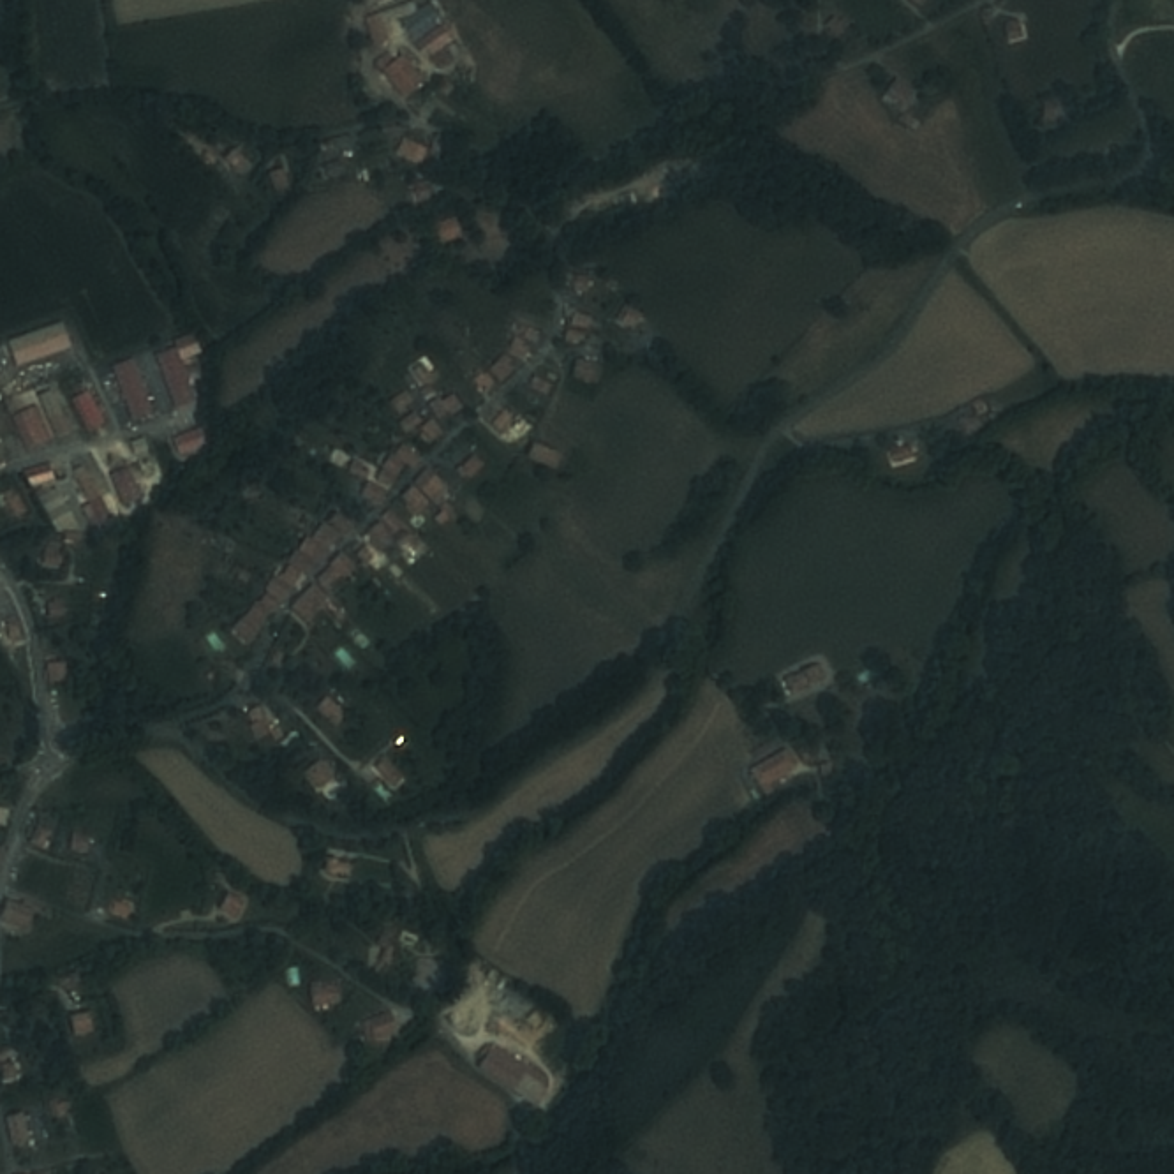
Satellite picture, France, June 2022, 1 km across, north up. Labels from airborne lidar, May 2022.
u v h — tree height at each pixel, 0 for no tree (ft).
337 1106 44
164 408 0
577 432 0
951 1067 83
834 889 56
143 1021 0
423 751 0
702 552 0
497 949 0
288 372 69
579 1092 71
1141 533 0
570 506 0
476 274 57
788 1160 54
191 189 0
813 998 89
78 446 0
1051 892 48
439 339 0
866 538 0
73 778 0
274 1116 0
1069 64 0
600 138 0
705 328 0
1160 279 0
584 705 70
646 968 76
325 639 0
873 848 92
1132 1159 37
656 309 0
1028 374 0
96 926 0
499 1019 0
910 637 0
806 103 53
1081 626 84
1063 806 34
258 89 0
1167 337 0
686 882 57
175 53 0
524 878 0
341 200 0
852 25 21
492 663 48
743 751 0
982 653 0
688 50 0
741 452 0
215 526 43
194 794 0
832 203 81
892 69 0
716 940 86
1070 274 0
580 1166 76
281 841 0
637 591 0
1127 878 89
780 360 29
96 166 0
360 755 0
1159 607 0
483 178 53
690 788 0
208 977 0
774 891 74
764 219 72
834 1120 93
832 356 0
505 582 0
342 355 49
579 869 0
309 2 0
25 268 0
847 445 0
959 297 0
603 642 0
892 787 102
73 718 0
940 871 71
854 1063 106
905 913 94
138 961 19
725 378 0
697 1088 0
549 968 0
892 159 0
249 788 73
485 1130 0
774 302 0
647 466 0
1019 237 0
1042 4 0
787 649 0
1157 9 0
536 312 0
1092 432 69
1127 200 67
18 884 0
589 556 0
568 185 59
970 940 28
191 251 0
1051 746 92
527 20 0
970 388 0
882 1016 66
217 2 0
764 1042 60
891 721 98
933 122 0
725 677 27
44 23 0
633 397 0
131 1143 0
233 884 41
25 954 0
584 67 0
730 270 0
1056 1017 25
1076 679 68
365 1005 0
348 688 54
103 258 0
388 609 31
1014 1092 0
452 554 0
